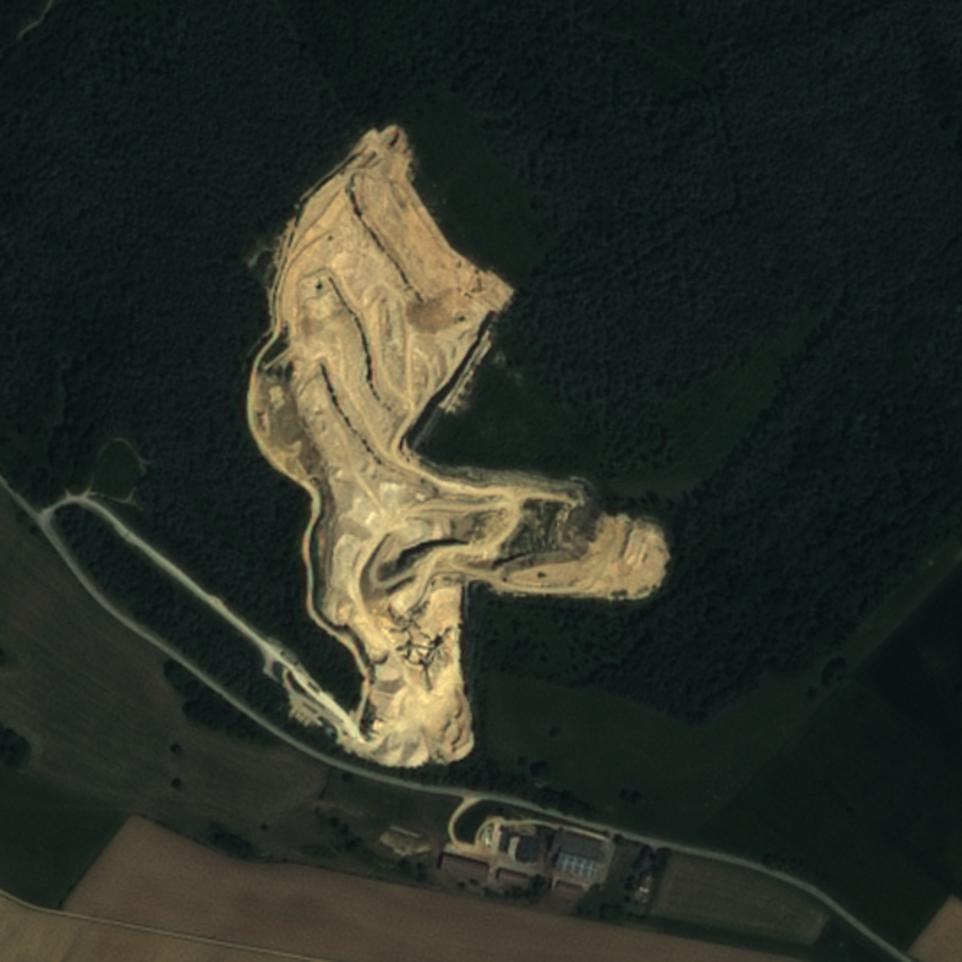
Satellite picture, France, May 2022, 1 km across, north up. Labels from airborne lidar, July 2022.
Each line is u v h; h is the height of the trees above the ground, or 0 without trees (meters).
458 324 0
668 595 6
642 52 7
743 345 17
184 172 22
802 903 0
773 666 24
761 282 23
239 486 21
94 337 23
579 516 0
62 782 0
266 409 0
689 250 23
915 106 19
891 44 25
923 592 0
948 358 16
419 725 0
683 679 21
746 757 0
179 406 24
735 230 23
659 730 0
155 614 10
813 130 27
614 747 0
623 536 0
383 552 0
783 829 0
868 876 0
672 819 0
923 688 0
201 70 21
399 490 0
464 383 0
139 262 26
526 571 0
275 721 7
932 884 0
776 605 26
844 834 0
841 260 14
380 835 0
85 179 22
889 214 23
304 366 0
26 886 0
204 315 25
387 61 6
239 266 22
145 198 25
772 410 6
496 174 0
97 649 0
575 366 16
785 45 22
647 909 0
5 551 0
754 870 0
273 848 0
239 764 0
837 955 0
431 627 0
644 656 19
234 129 22
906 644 0
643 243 19
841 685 14
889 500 25
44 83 17
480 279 0
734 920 0
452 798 0
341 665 15
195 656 9
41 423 16
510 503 0
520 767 8
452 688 0
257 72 25
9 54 16
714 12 16
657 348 20
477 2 6
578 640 15
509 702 0
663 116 24
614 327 13
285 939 0
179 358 19
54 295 11
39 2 9
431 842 0
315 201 0
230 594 17
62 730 0
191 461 18
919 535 23
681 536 24
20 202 20
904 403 17
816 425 25
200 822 0
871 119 26
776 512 21
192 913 0
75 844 0
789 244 22
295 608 11
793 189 25
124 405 18
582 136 22
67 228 25
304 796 0
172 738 0
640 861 6
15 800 0
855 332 21
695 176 22
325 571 0
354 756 10
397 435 0
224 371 21
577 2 10
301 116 21
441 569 0
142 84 21
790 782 0
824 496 24
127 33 10
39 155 21
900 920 0
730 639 19
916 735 0
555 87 22
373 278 0
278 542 20
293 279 0
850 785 0
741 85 22
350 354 0
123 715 0
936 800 0
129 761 0
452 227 0
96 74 22
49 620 0
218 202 20
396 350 0
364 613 0
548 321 15
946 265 17
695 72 14
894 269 18
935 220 22
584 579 0
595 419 7
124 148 19
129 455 0
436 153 0
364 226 0
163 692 0
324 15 9
